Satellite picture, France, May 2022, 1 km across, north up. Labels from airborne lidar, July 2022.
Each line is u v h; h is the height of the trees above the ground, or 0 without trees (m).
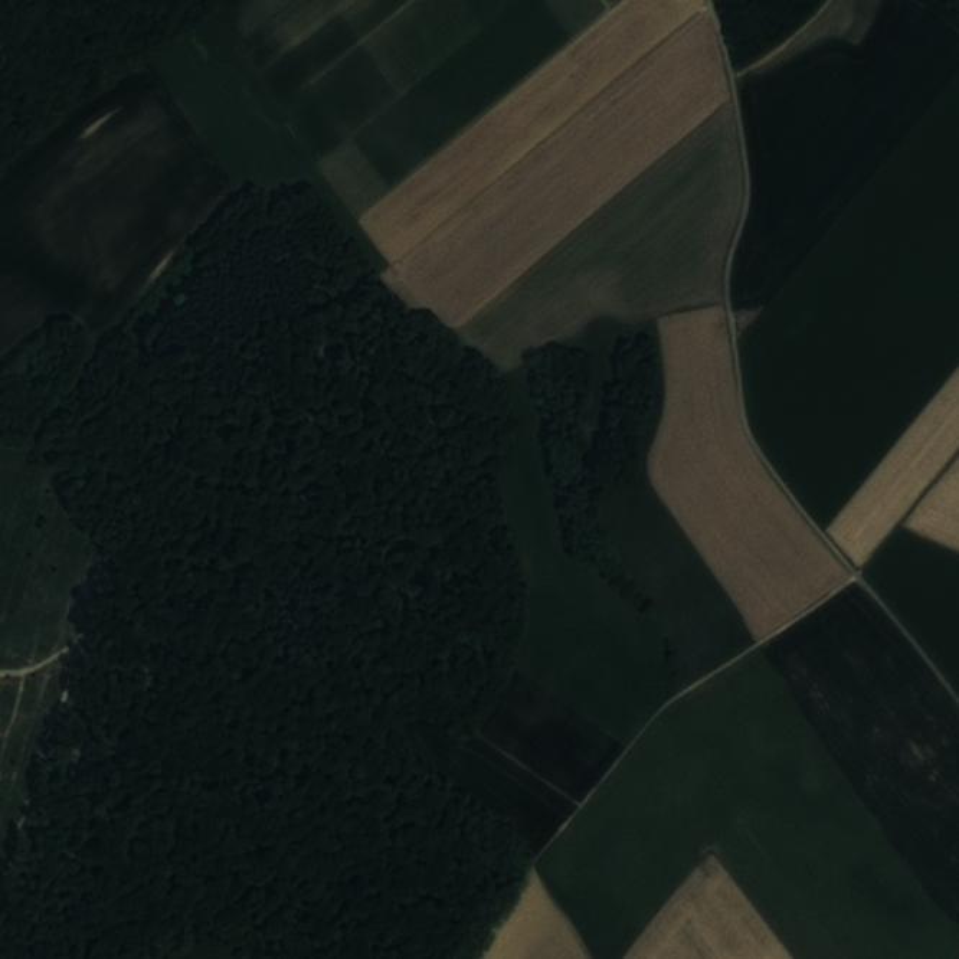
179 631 32
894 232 0
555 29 0
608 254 0
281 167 0
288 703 25
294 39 0
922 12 0
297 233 16
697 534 0
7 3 31
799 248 0
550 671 0
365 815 30
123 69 20
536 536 0
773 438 0
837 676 0
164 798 29
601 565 20
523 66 0
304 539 30
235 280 24
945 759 0
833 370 0
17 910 27
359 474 26
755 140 0
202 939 23
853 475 0
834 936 0
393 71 0
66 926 25
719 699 0
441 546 29
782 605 0
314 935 28
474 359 23
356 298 25
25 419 19
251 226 21
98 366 20
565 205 0
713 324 0
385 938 25
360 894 30
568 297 0
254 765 25
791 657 0
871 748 0
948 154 0
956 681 0
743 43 16
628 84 0
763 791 0
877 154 0
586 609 0
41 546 0
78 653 20
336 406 34
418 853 30
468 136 0
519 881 22
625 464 24
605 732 0
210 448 26
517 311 0
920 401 0
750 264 0
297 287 25
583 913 0
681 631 0
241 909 26
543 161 0
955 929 0
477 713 22
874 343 0
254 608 25
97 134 0
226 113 0
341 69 0
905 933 0
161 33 27
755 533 0
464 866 32
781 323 0
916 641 0
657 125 0
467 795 21
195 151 0
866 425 0
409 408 29
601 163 0
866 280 0
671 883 0
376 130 0
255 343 20
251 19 0
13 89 31
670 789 0
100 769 29
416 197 0
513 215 0
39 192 0
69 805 22
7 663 0
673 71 0
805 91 0
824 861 0
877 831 0
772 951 0
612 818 0
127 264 0
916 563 0
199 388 25
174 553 32
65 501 27
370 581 28
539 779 0
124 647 33
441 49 0
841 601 0
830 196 0
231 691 29
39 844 24
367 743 24
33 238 0
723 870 0
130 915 26
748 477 0
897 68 0
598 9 0
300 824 29
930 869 0
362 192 0
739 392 0
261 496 27
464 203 0
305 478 27
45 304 0
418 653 30
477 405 25
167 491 24
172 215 0
